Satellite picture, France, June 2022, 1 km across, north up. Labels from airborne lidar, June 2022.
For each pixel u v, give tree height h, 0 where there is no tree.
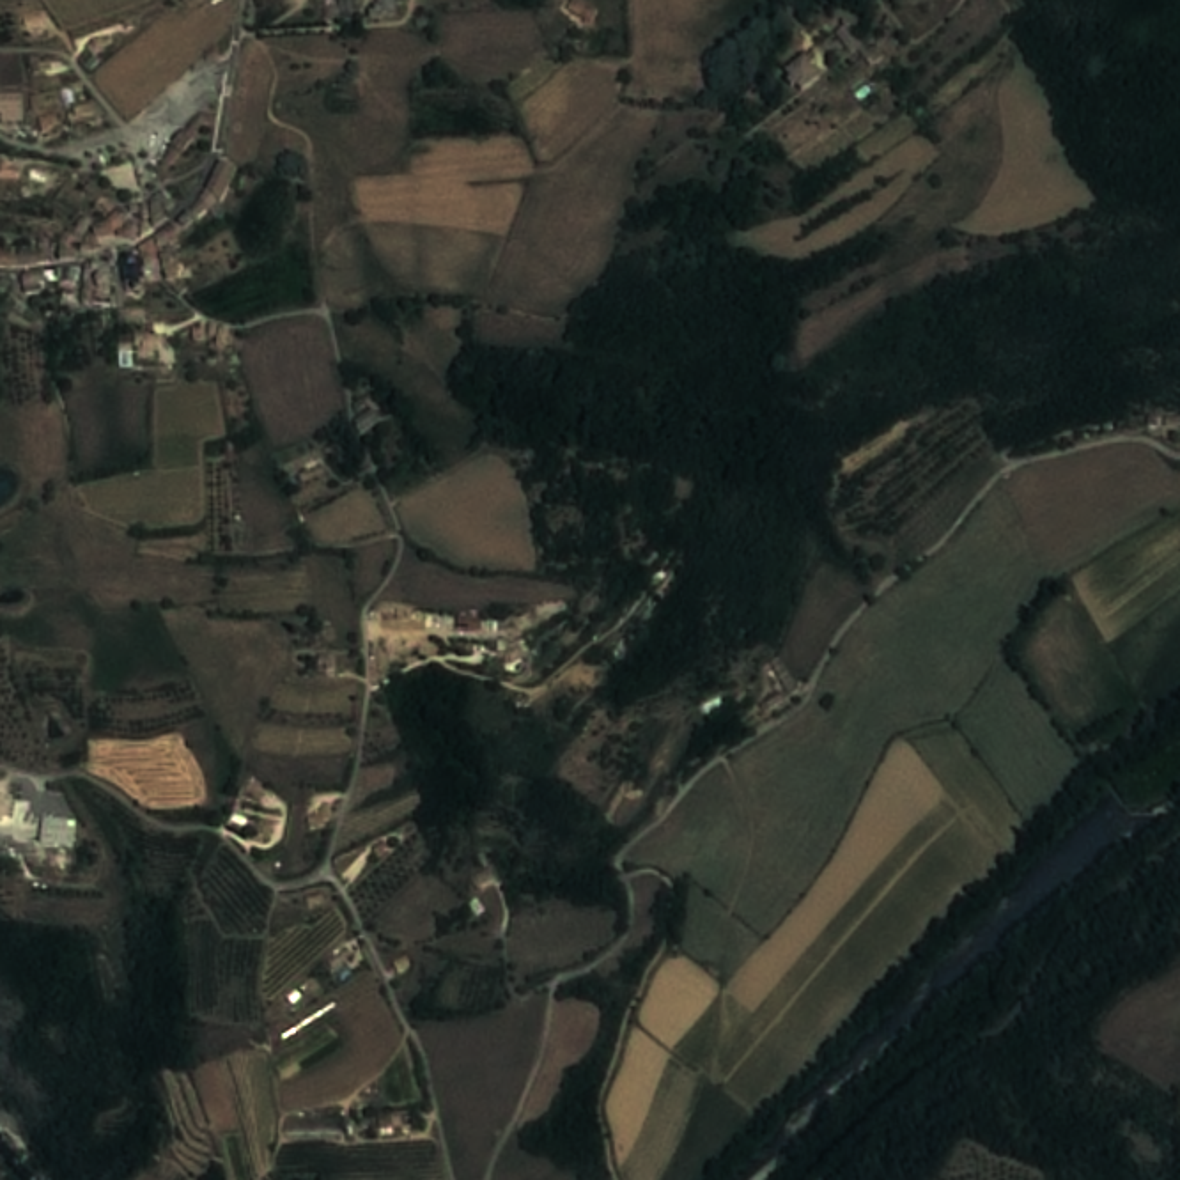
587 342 9
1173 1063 0
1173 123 12
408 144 0
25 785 0
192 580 0
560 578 7
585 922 0
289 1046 0
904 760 0
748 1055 0
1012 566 0
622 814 0
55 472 0
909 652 0
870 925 0
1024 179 0
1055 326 14
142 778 0
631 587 12
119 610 0
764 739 0
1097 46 18
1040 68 12
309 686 0
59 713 0
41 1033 7
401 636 0
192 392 0
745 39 26
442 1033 0
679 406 11
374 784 0
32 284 0
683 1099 0
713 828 0
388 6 0
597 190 0
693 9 0
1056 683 0
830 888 0
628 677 7
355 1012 0
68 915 0
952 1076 12
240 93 0
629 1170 0
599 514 11
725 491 17
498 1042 0
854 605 0
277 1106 0
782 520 9
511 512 0
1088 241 11
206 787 0
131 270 0
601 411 20
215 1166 8
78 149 0
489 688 10
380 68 0
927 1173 14
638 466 13
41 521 0
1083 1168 11
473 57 0
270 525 0
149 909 12
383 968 0
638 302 15
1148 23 8
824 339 0
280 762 0
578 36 11
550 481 7
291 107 0
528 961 0
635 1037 0
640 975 11
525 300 0
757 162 18
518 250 0
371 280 0
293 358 0
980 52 8
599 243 0
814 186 11
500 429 24
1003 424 12
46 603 0
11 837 0
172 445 0
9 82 0
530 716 9
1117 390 17
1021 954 24
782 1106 17
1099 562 0
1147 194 14
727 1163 15
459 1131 0
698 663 12
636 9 0
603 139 0
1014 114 0
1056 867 0
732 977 0
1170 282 9
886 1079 10
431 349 0
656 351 13
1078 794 24
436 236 0
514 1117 0
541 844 7
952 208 0
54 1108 10
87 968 7
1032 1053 18
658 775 0
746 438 27
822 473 8
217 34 0
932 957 24
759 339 10
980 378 15
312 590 0
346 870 0
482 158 0
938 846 0
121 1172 21
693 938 0
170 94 0
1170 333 13
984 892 21
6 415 0
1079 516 0
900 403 8
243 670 0
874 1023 21
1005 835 0
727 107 11
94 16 0
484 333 0
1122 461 0
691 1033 0
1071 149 12
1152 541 0
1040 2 10
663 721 0
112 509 0
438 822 13
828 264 13
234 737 0
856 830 0
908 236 0
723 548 12
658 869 6
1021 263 14
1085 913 15
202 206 0
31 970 14
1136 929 14
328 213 0
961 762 0
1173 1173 10
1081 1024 9
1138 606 0
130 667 0
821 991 0
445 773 13
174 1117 0
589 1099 11
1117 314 11
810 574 9
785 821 0
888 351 7
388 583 0
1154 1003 0
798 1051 0
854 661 0
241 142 0
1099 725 14
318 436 10
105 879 0
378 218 0
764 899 0
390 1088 0
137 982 15
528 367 20
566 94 0
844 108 0
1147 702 0
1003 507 0
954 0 0
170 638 0
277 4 0
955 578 0
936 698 0
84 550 0
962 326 15
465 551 0
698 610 14
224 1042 0
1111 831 0
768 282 19
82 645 0
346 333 0
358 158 0
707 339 15
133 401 0
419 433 8
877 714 0
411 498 0
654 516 6
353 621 0
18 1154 0
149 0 0
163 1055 14
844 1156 22
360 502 0
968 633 0
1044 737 0
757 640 12
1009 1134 18
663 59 0
